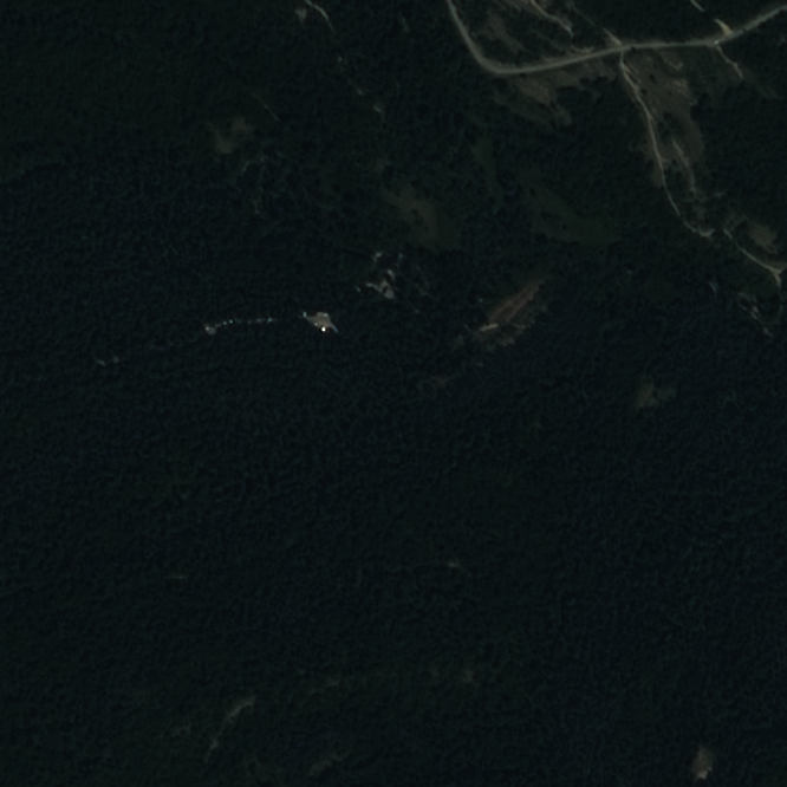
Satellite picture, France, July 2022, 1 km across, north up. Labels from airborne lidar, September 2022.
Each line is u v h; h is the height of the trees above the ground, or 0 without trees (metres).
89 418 13
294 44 20
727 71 0
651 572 25
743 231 8
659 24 9
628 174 11
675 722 17
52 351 23
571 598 22
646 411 9
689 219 7
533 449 9
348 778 15
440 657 10
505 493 16
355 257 28
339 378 25
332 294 13
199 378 17
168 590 14
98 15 19
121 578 18
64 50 21
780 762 18
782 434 28
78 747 20
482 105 11
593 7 9
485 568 14
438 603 9
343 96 12
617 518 23
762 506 27
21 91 16
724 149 10
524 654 14
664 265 10
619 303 19
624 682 7
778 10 0
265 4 17
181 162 24
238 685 7
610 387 24
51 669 11
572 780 15
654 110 0
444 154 14
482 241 17
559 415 23
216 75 14
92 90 15
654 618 21
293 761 21
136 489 25
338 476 20
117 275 31
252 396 9
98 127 18
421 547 9
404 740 16
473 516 16
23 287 25
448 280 21
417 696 13
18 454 19
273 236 12
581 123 11
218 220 19
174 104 8
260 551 12
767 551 23
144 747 8
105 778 9
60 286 25
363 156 11
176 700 10
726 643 24
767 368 27
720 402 21
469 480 18
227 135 6
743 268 7
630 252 11
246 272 23
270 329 21
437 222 0
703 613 13
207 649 16
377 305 23
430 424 28
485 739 17
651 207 16
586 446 21
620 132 8
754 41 7
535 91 0
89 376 11
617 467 17
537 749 15
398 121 10
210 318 23
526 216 23
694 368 24
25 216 21
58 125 17
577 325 24
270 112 7
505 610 16
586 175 14
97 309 21
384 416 6
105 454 23
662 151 0
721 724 13
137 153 29
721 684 23
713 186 10
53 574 24
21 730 20
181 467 24
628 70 0
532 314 7
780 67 9
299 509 22
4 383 16
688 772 11
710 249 6
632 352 22
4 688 17
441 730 13
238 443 25
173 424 25
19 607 18
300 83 22
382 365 23
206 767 9
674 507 23
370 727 17
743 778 26
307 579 19
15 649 8
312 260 34
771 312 19
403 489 23
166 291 25
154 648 9
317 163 13
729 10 10
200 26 15
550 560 27
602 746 19
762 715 20
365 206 24
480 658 10
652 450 21
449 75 7
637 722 13
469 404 29
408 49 25
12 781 11
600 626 15
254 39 18
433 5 24
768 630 15
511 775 26
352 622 15
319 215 26
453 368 27
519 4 0
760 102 7
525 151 19
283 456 17
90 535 19
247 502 24
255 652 15
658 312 28
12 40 19
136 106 13
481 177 10
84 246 23
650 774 23
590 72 0
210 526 29
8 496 24
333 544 18
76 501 19
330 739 19
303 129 19
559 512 25
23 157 17
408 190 0
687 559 21
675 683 14
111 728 9
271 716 7
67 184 22
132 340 19
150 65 19
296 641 20
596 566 15
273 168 22
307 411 26
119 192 24
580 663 18
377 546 18
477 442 22
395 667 14
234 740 14
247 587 13
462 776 21
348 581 12
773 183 19
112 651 10
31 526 26
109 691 9
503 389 27
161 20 16
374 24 21
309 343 25
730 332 21
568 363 23
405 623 16
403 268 13
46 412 13
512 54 7
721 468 22
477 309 21
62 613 11
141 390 20
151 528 22
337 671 9
